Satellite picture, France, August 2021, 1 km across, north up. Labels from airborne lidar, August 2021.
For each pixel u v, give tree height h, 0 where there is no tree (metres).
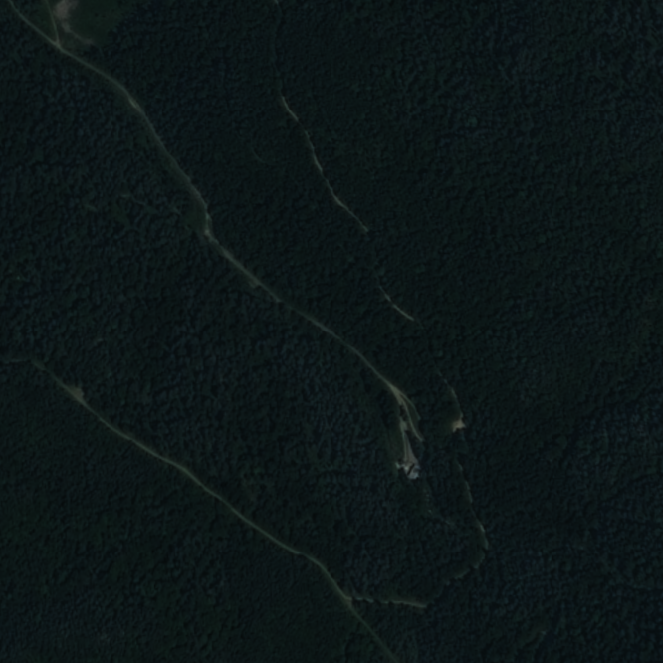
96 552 22
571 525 19
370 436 28
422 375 15
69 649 23
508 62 22
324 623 23
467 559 21
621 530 19
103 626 23
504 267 25
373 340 14
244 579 22
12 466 20
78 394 0
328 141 6
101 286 24
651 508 20
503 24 25
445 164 27
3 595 22
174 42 14
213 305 24
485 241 23
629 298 21
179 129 23
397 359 17
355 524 29
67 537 12
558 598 22
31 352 19
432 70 22
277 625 22
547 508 28
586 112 23
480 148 31
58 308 20
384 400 19
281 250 21
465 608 20
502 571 16
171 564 26
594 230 22
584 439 29
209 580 21
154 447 7
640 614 9
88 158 28
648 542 17
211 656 28
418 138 29
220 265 28
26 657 16
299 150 19
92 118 28
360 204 15
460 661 18
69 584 29
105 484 17
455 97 9
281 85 11
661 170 9
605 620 16
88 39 0
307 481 23
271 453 21
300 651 21
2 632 20
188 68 22
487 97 22
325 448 22
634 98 11
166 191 17
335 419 31
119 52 13
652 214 18
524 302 32
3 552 22
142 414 13
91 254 25
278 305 14
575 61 20
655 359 17
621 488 19
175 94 23
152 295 24
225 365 30
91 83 26
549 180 23
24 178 25
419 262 17
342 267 23
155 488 18
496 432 20
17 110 30
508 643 18
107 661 19
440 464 21
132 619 21
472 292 26
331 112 15
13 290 33
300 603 23
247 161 17
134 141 21
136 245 17
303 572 24
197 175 26
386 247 21
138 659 16
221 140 24
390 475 29
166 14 30
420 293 20
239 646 16
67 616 21
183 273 8
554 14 7
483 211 18
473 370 19
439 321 19
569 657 15
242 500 19
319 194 23
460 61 19
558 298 11
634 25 8
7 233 26
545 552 18
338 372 22
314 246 19
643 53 32
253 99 20
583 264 20
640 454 20
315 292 22
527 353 22
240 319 27
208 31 22
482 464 17
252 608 21
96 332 19
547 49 28
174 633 18
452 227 24
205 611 26
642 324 16
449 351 15
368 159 6
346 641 21
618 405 27
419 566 15
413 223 16
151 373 23
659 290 25
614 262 20
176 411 30
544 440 24
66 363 18
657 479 21
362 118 13
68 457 21
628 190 27
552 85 24
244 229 19
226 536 9
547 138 17
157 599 20
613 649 14
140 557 19
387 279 16
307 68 19
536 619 8
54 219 22
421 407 14
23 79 35
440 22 15
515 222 25
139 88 24
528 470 24
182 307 25
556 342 23
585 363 23
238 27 15
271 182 18
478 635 20
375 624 9
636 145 28
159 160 12
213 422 34
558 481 16
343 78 19
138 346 25
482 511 17
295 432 23
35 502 14
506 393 25
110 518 19
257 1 17
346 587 25
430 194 7
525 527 17
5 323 26
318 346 29
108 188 22
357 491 10
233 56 20
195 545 7
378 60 22
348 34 12
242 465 23
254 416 27
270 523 11
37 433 13
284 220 26
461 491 8
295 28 19
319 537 21
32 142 13
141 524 17
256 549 25
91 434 21
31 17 7
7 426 15
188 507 19
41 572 23
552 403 23
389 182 16
